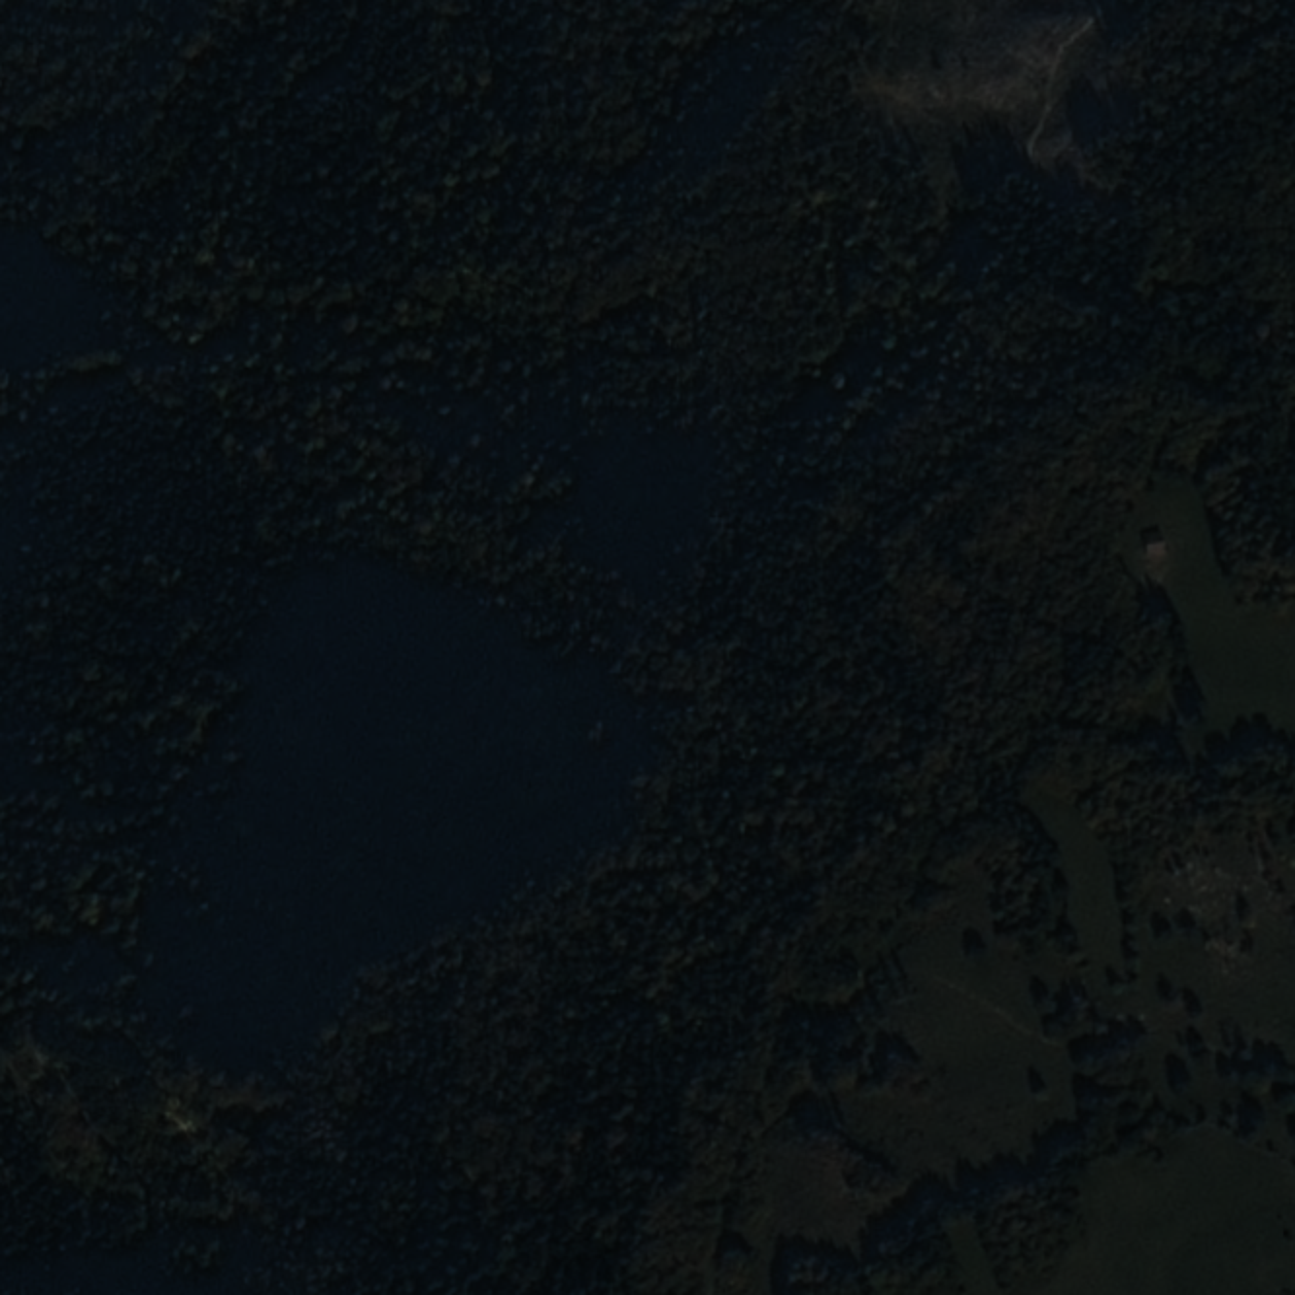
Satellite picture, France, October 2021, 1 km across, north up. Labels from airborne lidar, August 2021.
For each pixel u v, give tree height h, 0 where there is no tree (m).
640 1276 22
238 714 28
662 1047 22
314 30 22
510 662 8
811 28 18
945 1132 0
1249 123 17
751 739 21
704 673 12
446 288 20
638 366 25
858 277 20
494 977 9
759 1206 15
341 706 26
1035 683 27
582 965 18
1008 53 0
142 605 30
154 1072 15
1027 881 20
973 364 24
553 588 22
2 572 17
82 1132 24
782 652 23
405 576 30
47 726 28
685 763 17
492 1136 16
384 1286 31
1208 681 0
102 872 23
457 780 24
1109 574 28
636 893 17
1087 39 0
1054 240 32
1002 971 0
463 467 31
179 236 25
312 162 12
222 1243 21
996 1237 19
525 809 30
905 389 22
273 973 32
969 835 28
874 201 20
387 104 24
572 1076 17
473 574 19
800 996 6
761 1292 0
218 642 33
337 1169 33
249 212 15
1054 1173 14
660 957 22
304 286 21
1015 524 25
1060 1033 12
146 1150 21
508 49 24
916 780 20
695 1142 20
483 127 17
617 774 13
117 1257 20
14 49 26
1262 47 24
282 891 29
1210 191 20
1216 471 27
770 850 22
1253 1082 14
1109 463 22
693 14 16
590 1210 23
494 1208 16
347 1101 21
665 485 21
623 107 8
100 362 16
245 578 29
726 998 18
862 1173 12
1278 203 19
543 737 19
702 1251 14
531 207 24
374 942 24
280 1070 28
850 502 17
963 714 26
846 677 23
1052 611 24
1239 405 16
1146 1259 0
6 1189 6
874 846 22
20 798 28
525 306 24
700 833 21
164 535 31
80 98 23
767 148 17
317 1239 19
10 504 25
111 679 35
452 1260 22
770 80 11
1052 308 19
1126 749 26
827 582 15
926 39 0
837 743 23
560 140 23
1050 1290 0
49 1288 18
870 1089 13
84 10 21
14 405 18
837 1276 19
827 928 20
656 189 25
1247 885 0
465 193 22
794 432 7
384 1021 19
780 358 20
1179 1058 0
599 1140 13
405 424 32
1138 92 8
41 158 9
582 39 22
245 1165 12
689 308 17
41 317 27
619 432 23
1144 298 19
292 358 21
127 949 29
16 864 17
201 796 25
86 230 7
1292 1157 0
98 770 27
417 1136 30
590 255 24
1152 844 20
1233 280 13
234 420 13
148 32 23
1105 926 0
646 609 23
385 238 26
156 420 30
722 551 21
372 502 24
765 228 17
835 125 19
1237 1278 0
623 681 16
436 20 27
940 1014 0
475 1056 18
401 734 26
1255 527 21
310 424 22
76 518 32
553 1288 25
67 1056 20
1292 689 0
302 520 29
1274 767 21
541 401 16
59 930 20
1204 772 8
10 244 17
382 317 21
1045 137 0
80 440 37
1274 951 0
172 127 28
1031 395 24
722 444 27
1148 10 26
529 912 14
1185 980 0
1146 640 20
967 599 22
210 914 29
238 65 23
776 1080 16
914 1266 21
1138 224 11
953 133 0
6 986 18
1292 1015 0
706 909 12
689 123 21
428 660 24
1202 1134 0
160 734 24
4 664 28
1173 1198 0
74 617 30
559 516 15
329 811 24
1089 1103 17
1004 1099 0
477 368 28
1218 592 0
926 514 24
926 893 19
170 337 15
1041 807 0
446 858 29
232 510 32
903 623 19
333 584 32
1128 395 24
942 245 10
